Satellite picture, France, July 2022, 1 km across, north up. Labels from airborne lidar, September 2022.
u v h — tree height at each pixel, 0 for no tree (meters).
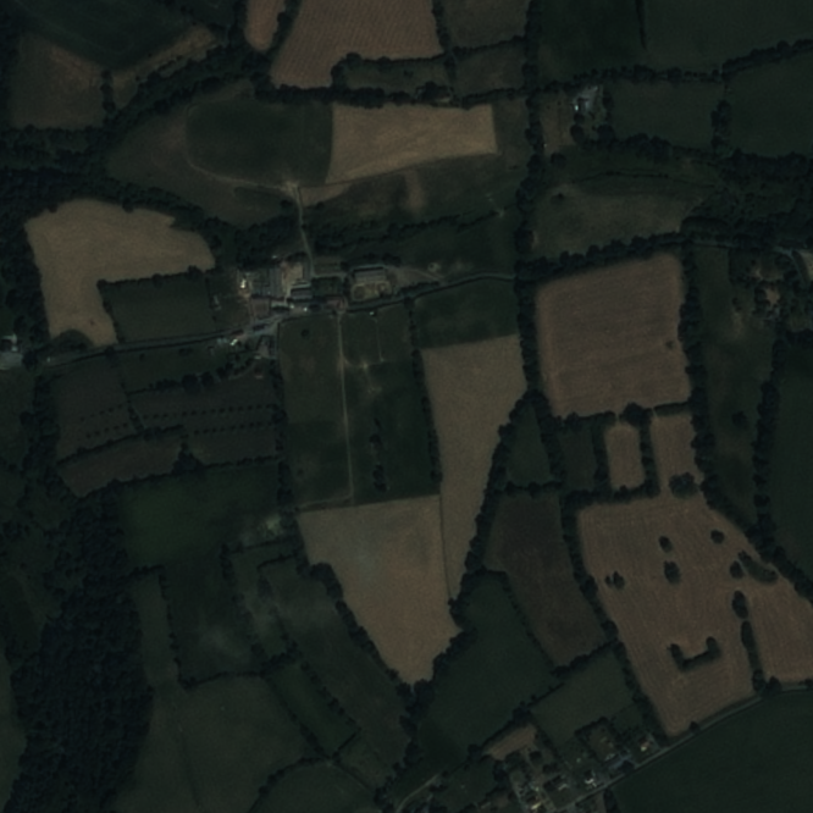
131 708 21
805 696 0
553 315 0
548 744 9
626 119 0
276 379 16
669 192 0
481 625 0
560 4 0
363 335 0
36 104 0
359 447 0
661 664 0
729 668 0
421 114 0
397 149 0
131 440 7
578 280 0
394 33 0
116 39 0
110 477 0
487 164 0
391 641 0
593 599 10
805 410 0
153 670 0
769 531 19
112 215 0
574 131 12
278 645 0
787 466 0
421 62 7
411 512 0
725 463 0
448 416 0
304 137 0
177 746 0
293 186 0
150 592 0
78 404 0
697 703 0
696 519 0
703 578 0
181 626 0
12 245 20
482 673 0
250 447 0
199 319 0
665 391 0
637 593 0
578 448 0
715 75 9
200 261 0
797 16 0
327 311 0
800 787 0
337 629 0
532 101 14
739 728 0
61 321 0
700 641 0
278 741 0
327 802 0
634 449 0
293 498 16
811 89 0
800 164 19
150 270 0
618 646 10
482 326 0
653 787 0
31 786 27
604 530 0
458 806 0
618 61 0
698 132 0
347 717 6
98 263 0
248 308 0
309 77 0
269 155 0
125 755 14
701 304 12
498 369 0
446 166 0
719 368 0
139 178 0
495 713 0
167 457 0
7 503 0
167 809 0
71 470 0
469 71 0
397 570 0
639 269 0
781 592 0
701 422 20
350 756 0
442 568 0
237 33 19
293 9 14
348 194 0
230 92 0
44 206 17
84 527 26
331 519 0
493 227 0
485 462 0
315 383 0
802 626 0
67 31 0
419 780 0
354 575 0
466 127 0
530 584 0
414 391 0
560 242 0
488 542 7
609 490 23
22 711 12
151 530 0
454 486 0
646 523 0
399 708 0
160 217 0
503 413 0
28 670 21
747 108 0
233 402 0
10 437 0
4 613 29
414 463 0
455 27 0
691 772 0
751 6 0
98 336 0
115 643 27
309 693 0
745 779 0
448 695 0
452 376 0
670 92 0
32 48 0
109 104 14
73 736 35
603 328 0
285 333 0
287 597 0
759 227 13
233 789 0
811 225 11
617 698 0
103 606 24
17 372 0
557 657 0
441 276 0
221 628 0
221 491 0
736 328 0
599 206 0
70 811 10
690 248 12
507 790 8
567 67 0
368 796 0
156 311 0
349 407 0
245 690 0
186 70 7
